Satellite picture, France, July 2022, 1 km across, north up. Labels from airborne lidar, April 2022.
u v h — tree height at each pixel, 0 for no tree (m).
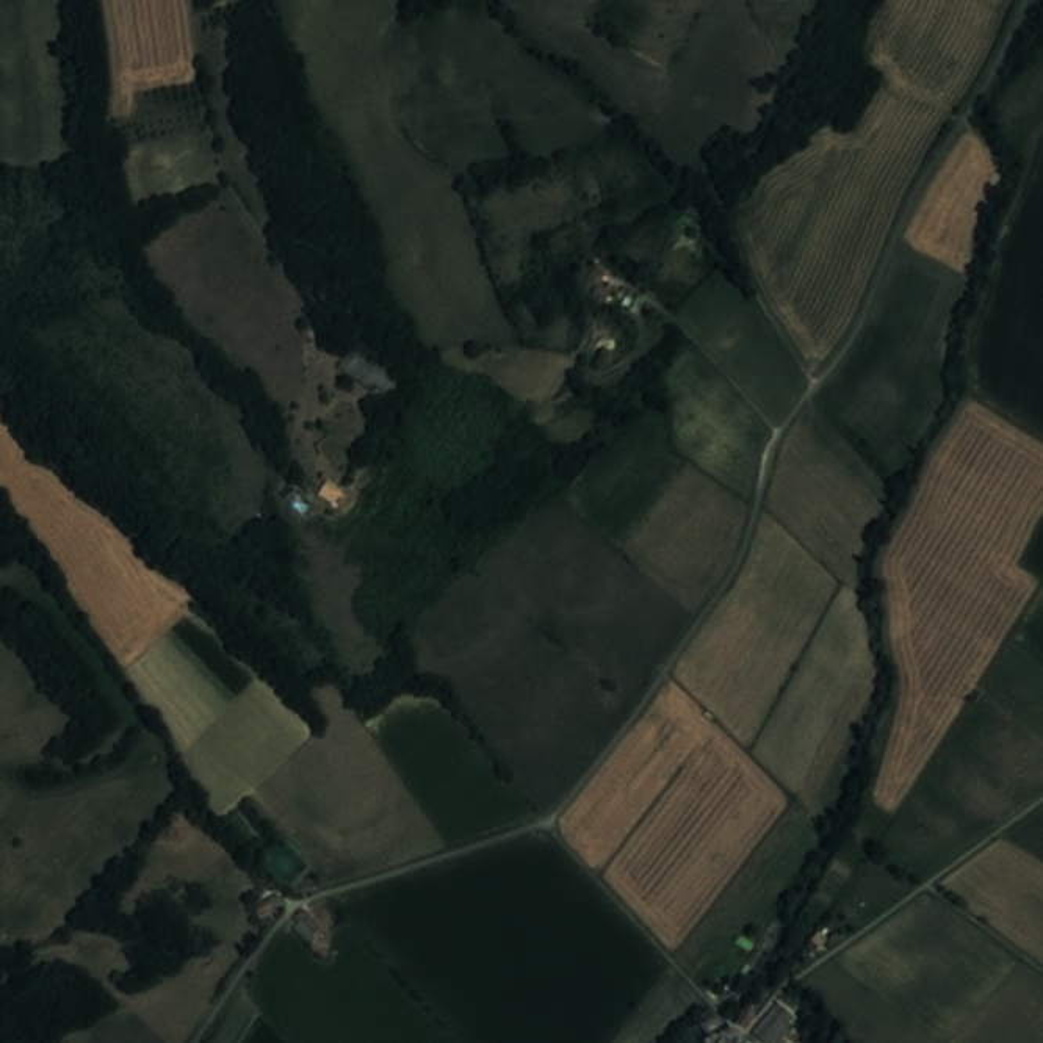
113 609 0
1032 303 0
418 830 0
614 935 0
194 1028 0
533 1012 0
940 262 0
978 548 0
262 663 17
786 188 0
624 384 11
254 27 13
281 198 17
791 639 0
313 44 0
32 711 0
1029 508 0
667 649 0
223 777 0
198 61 11
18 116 0
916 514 0
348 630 0
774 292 0
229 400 13
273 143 17
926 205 0
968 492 0
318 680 15
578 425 0
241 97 15
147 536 23
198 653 0
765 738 0
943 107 0
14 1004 20
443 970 0
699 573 0
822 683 0
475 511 20
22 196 7
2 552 24
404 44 0
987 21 0
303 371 0
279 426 11
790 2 0
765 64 0
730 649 0
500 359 0
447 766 0
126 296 6
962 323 18
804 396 0
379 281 15
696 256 0
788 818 0
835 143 0
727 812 0
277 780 0
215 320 0
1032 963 0
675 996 0
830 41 17
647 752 0
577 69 19
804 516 0
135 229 11
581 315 17
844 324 0
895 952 0
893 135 0
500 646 0
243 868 6
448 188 0
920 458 9
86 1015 17
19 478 0
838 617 0
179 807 16
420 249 0
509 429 10
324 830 0
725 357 0
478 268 0
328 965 0
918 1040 0
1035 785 0
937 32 0
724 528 0
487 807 0
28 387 15
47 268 9
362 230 20
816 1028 20
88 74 14
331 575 0
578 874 0
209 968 0
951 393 16
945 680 0
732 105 0
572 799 0
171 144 0
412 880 0
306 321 12
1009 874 0
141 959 18
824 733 0
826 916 8
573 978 0
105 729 21
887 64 0
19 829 0
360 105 0
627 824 0
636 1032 0
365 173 0
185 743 0
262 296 0
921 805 0
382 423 17
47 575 17
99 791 0
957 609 0
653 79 0
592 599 0
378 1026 0
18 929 0
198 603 13
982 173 0
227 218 0
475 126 0
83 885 0
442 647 0
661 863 0
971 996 0
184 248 0
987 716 0
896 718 0
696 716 0
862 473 0
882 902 0
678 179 10
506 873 0
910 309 0
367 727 0
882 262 0
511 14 15
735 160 19
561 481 6
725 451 0
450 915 0
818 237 0
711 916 0
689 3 0
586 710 0
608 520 0
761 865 0
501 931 0
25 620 21
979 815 0
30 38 0
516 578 0
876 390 0
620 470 0
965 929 0
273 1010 0
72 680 24
